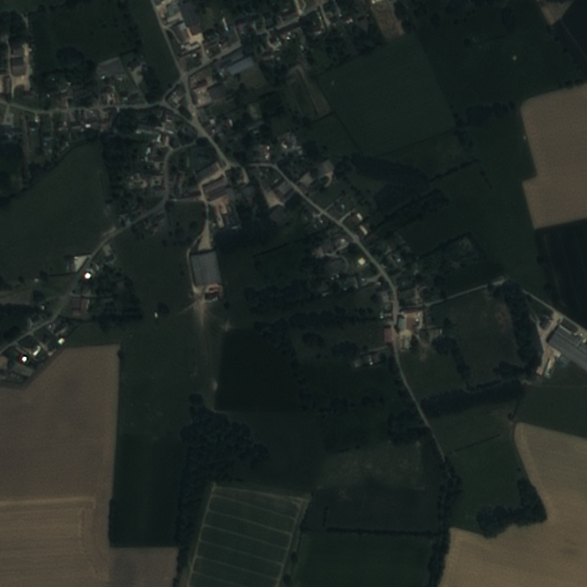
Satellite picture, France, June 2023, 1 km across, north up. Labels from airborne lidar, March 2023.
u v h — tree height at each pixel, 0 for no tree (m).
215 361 0
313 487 0
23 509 0
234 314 0
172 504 0
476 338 0
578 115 0
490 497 0
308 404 21
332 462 0
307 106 0
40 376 0
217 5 0
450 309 0
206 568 0
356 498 0
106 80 9
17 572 0
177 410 0
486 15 0
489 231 0
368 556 0
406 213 6
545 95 0
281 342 18
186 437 21
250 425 0
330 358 0
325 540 0
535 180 0
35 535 0
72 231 0
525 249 0
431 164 0
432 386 0
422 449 0
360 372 0
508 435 0
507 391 22
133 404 0
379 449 0
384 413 0
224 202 0
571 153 0
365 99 0
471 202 0
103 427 0
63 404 0
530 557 0
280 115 14
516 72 0
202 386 0
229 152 7
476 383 0
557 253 0
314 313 0
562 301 0
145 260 0
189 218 0
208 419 24
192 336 0
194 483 27
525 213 0
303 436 0
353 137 0
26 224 0
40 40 0
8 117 0
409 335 0
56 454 0
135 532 0
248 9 17
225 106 0
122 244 0
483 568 0
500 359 0
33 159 0
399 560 0
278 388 0
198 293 0
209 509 0
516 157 0
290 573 0
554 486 0
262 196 9
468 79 0
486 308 0
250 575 0
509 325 0
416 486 0
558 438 0
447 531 15
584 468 0
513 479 0
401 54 0
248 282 0
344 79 0
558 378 0
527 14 0
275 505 0
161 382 0
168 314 16
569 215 0
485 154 0
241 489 0
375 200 0
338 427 0
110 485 0
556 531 0
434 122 0
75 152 0
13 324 0
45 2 0
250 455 20
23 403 0
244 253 0
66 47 0
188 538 19
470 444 0
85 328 0
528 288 0
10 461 0
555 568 0
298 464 0
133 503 0
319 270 9
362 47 5
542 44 0
